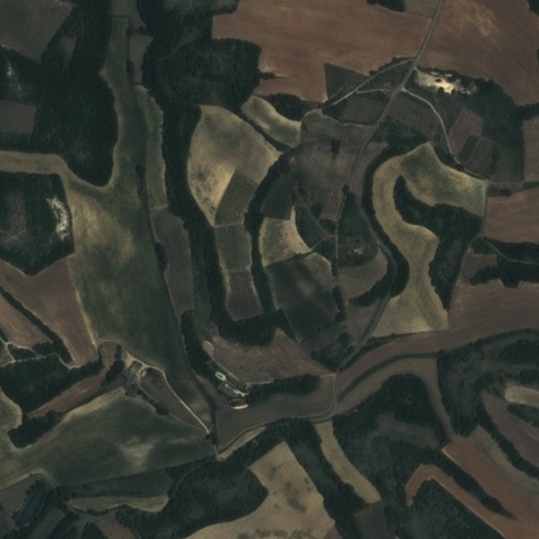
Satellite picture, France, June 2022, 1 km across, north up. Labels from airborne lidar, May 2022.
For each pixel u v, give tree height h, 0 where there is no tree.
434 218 9
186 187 8
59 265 0
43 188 9
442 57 0
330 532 0
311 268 0
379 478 12
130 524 15
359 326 0
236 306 0
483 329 0
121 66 0
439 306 0
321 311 0
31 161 0
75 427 0
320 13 0
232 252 0
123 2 0
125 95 0
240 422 0
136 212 0
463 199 0
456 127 0
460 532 8
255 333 10
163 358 0
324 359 13
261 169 0
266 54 0
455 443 0
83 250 0
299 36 0
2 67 12
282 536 0
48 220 7
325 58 0
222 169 0
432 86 0
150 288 0
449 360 10
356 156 0
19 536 27
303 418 6
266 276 17
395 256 11
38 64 12
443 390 10
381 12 0
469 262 0
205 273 6
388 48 0
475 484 18
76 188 0
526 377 12
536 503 0
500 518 0
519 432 0
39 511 7
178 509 13
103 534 11
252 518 0
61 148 7
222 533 0
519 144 8
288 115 9
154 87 19
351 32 0
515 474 0
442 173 0
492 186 0
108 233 0
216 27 0
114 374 19
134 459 0
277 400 0
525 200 0
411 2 0
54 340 9
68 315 0
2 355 0
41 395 7
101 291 0
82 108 9
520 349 10
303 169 0
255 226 10
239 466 9
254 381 0
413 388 7
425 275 0
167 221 0
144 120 0
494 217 0
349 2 0
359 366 0
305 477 0
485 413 12
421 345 0
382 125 6
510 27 0
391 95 0
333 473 11
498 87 8
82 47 10
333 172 0
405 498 10
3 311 0
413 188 0
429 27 0
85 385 0
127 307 0
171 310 0
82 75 12
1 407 0
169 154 20
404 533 11
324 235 0
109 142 13
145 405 0
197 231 14
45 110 7
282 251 0
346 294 0
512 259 6
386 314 0
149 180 0
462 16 0
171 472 14
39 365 10
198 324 0
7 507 0
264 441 10
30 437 12
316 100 0
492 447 0
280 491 0
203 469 11
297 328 0
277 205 0
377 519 0
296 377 11
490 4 0
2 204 8
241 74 9
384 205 0
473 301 0
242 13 0
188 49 9
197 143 0
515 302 0
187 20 11
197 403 0
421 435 0
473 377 0
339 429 12
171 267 0
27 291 0
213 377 11
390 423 0
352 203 11
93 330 0
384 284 15
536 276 16
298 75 0
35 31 0
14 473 0
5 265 0
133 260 0
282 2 0
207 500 10
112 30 7
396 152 8
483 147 0
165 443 0
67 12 0
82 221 0
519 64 0
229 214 0
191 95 7
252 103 0
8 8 0
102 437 0
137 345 0
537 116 8
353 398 0
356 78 0
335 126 0
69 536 17
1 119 0
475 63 0
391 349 0
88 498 0
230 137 0
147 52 11
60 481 0
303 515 0
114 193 0
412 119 0
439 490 10
